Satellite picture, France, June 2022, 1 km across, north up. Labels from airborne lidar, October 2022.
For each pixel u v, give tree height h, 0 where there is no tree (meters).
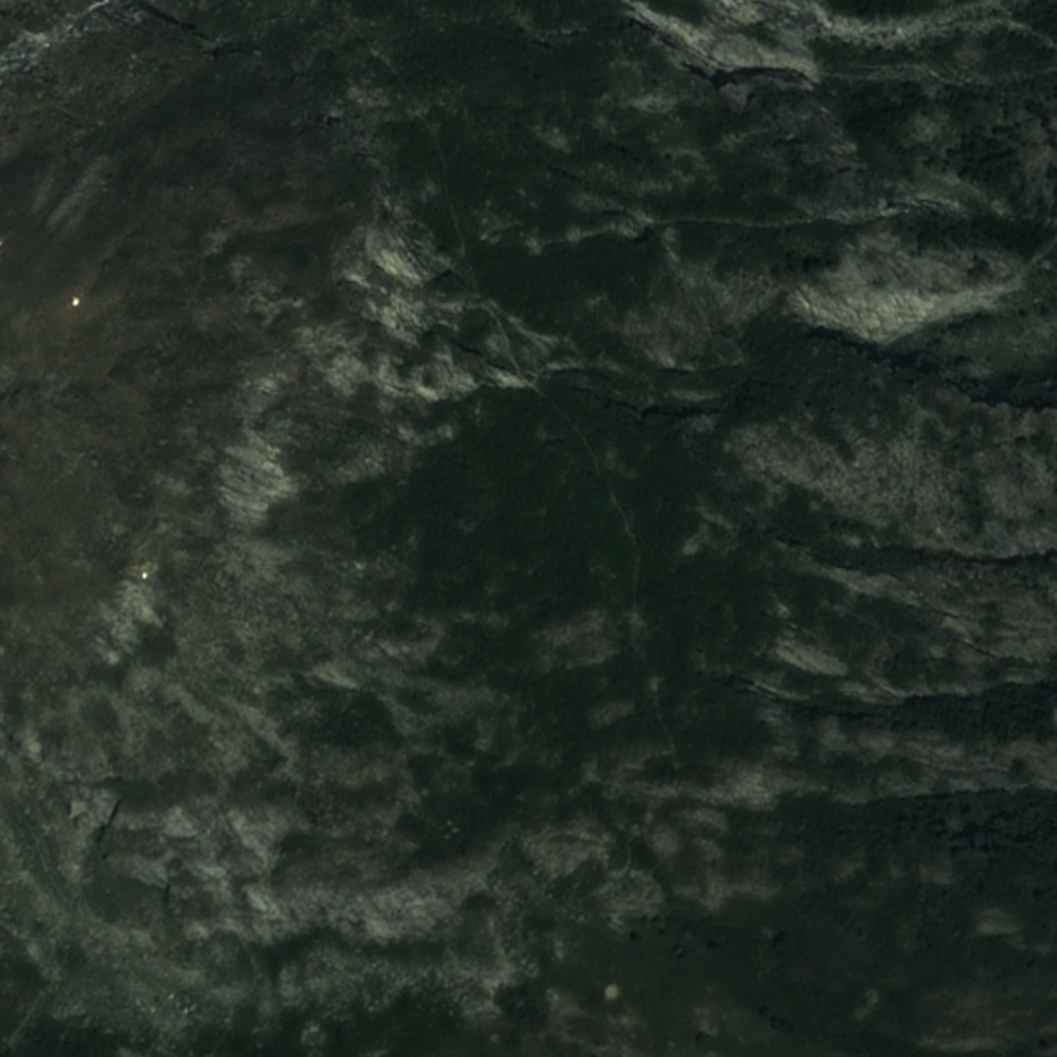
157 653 0
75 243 0
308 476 0
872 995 0
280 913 0
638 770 0
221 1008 0
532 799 0
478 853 0
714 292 0
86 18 0
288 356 0
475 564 0
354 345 0
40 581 0
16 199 0
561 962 0
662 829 0
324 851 0
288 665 0
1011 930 0
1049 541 0
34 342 0
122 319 0
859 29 0
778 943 12
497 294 5
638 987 0
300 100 0
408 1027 0
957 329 13
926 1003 0
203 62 0
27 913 0
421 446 0
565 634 0
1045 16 9
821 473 0
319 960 0
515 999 8
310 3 0
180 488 0
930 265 0
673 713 0
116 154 0
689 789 0
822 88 7
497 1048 0
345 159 0
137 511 0
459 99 0
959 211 0
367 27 0
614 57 0
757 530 12
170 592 0
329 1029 0
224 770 0
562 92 7
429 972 0
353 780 0
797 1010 0
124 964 0
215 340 0
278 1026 0
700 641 7
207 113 0
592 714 0
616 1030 0
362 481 0
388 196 11
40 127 0
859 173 8
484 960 0
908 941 0
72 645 0
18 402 0
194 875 0
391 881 0
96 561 0
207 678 0
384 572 0
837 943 0
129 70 0
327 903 0
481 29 5
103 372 0
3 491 0
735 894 0
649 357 0
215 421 0
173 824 0
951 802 8
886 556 5
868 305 0
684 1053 0
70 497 0
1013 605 0
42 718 0
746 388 8
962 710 10
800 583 6
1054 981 0
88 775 0
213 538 0
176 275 0
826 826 9
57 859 0
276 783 0
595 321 0
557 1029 0
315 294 0
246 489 0
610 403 13
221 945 0
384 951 0
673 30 0
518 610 0
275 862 0
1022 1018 0
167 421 0
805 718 9
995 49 13
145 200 0
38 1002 0
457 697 0
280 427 0
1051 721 22
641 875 0
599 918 0
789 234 8
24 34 0
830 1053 0
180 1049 0
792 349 7
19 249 0
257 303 0
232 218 0
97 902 0
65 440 0
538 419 8
